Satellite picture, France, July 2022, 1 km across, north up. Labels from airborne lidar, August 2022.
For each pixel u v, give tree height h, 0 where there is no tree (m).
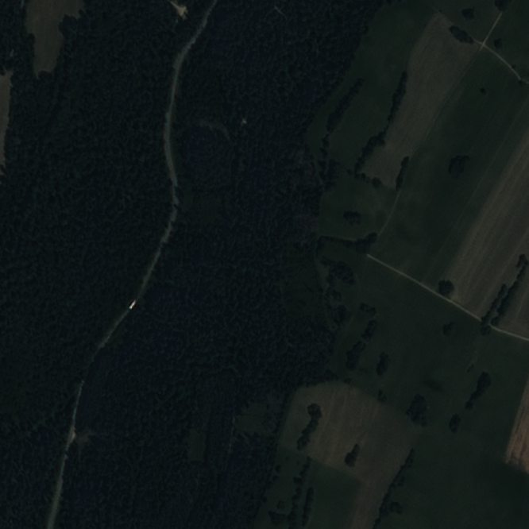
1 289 25
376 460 0
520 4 0
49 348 27
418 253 0
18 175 14
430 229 0
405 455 0
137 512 20
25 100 21
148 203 23
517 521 0
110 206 27
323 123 0
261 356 29
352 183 0
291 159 31
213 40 28
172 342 39
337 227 0
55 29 0
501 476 0
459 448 0
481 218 0
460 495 0
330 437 0
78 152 33
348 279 17
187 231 13
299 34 37
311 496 15
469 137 0
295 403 0
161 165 25
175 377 27
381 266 0
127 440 19
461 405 0
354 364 17
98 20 26
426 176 0
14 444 18
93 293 26
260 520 0
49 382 20
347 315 21
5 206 13
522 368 0
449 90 0
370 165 0
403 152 0
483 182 0
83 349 29
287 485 0
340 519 0
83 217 32
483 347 0
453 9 0
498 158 0
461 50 0
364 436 0
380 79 0
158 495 16
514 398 0
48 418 7
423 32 0
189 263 23
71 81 32
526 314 0
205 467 21
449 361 0
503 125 0
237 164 30
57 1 0
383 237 0
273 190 27
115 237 20
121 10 27
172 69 20
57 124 31
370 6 18
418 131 0
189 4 14
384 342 0
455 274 0
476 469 0
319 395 0
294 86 9
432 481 0
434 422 0
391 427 0
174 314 34
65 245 28
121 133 19
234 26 31
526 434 0
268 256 29
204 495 18
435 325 0
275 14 31
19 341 27
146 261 21
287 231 29
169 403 15
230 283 25
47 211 31
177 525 28
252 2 30
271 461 9
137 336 24
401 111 0
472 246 0
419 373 0
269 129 30
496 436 0
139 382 33
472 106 0
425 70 0
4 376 27
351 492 0
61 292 24
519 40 0
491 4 0
